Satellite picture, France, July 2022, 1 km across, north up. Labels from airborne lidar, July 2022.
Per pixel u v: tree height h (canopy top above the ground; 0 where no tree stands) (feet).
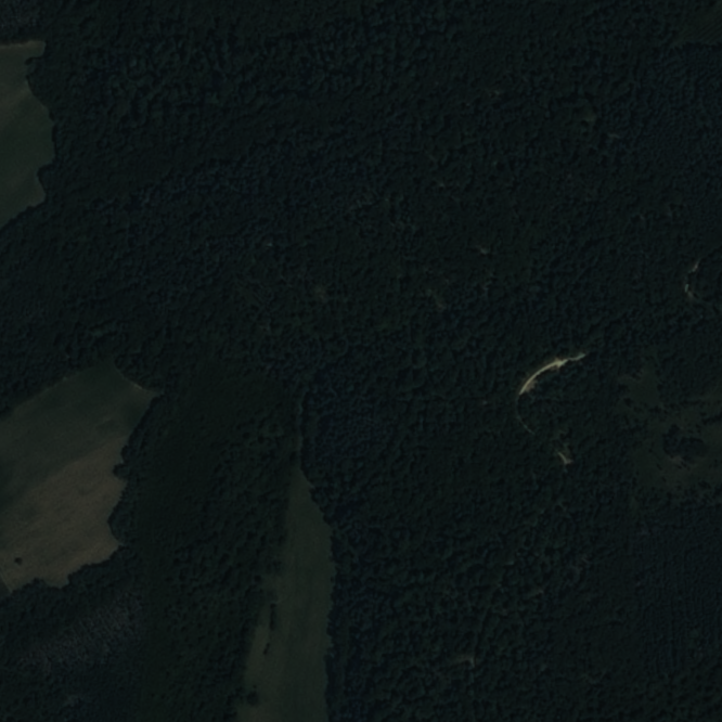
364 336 70
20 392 76
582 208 70
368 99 78
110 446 0
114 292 70
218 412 34
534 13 66
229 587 96
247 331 81
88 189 78
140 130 63
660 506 26
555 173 73
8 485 0
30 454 0
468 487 70
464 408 64
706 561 49
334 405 104
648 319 53
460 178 83
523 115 72
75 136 74
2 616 52
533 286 55
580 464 66
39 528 0
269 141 65
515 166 83
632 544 53
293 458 78
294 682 0
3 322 82
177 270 100
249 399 45
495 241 65
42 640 71
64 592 50
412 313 81
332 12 105
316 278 74
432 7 113
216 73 40
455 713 77
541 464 67
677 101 100
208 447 37
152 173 84
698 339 64
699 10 74
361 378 72
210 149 72
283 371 81
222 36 33
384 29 24
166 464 28
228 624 35
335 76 102
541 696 69
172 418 26
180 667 31
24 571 0
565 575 22
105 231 67
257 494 27
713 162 64
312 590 0
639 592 96
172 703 27
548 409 67
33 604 66
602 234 75
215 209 97
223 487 103
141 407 0
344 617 88
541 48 85
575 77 78
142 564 86
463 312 81
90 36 96
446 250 77
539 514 52
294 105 92
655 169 60
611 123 70
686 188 47
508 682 69
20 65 0
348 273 74
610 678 62
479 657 65
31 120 0
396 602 89
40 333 82
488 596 76
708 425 51
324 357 118
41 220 56
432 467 76
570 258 74
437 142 87
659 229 68
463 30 77
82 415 0
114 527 42
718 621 62
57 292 70
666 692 36
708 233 61
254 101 101
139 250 94
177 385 67
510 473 76
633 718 83
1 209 0
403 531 84
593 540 61
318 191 103
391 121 75
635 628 55
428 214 70
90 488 0
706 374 60
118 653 64
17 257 53
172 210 111
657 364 58
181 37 87
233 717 94
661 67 94
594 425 62
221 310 73
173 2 98
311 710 0
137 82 107
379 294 84
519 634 49
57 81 85
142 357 67
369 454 91
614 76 77
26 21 76
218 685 86
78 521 0
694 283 50
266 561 77
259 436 41
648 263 52
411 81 79
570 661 69
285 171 84
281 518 80
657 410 34
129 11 55
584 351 35
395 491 71
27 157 0
